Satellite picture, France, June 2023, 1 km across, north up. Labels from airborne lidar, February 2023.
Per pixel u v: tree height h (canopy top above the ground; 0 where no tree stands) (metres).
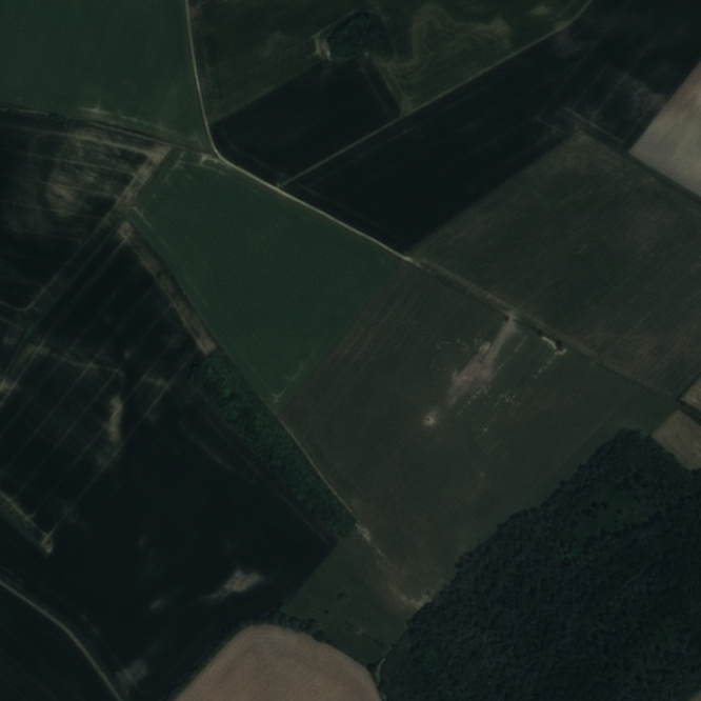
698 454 0
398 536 0
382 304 0
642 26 0
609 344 0
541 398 0
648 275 0
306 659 0
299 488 12
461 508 0
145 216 0
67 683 0
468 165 0
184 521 0
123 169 0
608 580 25
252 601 0
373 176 0
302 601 0
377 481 0
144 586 0
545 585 23
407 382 0
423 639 16
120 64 0
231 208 0
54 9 0
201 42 0
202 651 0
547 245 0
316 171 0
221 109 0
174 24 0
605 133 0
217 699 0
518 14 0
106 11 0
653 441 14
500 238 0
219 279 0
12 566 0
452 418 0
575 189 0
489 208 0
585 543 0
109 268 0
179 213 0
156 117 0
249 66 0
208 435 0
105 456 0
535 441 0
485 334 0
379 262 0
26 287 0
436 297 0
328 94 0
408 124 0
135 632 0
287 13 0
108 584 0
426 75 0
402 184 0
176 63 0
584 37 0
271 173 0
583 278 0
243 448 0
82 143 0
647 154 0
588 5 0
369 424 0
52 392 0
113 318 0
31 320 0
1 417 0
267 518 0
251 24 0
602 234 0
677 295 0
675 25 0
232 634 7
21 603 0
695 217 0
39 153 0
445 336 0
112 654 0
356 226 0
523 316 0
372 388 0
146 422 0
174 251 0
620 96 0
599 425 0
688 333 0
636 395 0
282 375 0
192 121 0
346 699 0
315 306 0
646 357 0
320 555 0
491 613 23
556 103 0
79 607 0
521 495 0
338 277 0
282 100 0
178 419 0
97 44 0
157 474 0
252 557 0
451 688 19
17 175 0
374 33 19
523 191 0
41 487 0
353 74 0
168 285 0
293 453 5
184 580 0
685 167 0
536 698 19
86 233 0
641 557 27
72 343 0
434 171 0
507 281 0
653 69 0
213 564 0
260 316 0
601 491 18
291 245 0
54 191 0
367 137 0
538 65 0
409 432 0
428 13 0
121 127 0
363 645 0
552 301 0
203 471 0
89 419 0
